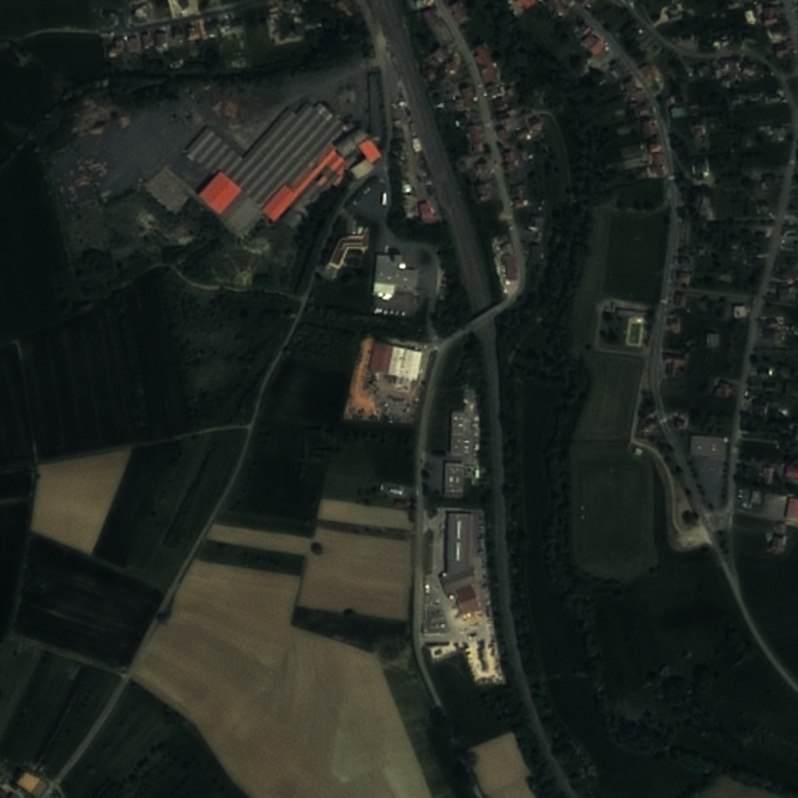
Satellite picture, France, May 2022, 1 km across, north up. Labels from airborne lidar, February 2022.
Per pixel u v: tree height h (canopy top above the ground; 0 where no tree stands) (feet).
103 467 0
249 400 25
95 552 0
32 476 0
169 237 0
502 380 35
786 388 28
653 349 0
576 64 57
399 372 0
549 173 37
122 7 0
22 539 0
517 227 0
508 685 28
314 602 0
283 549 0
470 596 0
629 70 0
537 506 0
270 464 0
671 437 0
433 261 0
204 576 0
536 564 0
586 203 75
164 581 0
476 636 0
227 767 0
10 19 0
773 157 0
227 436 0
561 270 75
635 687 0
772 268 0
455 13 0
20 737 0
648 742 79
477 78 0
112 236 0
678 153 45
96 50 0
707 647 0
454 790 0
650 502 0
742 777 59
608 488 0
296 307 0
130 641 0
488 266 0
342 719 0
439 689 0
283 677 0
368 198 0
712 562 0
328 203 49
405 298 0
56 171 0
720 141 0
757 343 0
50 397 0
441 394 0
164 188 0
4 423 0
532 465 0
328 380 0
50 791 0
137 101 64
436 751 0
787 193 0
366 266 0
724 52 0
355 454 0
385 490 0
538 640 0
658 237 0
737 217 0
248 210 0
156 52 0
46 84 0
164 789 0
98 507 0
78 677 0
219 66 85
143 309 0
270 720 0
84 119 0
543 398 0
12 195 0
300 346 24
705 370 0
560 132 0
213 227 29
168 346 0
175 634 0
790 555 0
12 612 0
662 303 0
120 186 0
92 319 0
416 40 37
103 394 0
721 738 76
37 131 20
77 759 0
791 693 0
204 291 0
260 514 0
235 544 0
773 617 0
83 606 0
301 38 0
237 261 0
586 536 0
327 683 0
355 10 39
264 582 0
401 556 0
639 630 0
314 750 0
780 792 44
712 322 0
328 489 0
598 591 0
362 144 0
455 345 0
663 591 0
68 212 0
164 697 0
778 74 0
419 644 0
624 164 0
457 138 0
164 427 0
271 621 0
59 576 0
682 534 0
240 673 0
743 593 0
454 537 0
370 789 0
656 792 0
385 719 0
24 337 0
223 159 0
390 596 0
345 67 0
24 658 0
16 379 0
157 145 0
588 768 32
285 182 0
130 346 24
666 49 0
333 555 0
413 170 0
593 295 0
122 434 0
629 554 0
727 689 0
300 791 0
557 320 66
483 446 44
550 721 47
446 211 0
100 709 0
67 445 0
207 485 0
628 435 0
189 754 0
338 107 0
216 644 0
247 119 0
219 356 0
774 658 0
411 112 0
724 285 32
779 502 0
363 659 0
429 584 0
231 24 0
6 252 0
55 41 0
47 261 0
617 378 0
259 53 0
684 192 28
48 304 0
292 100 0
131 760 0
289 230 0
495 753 0
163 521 0
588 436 0
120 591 0
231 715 0
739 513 0
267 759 0
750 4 29
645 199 0
